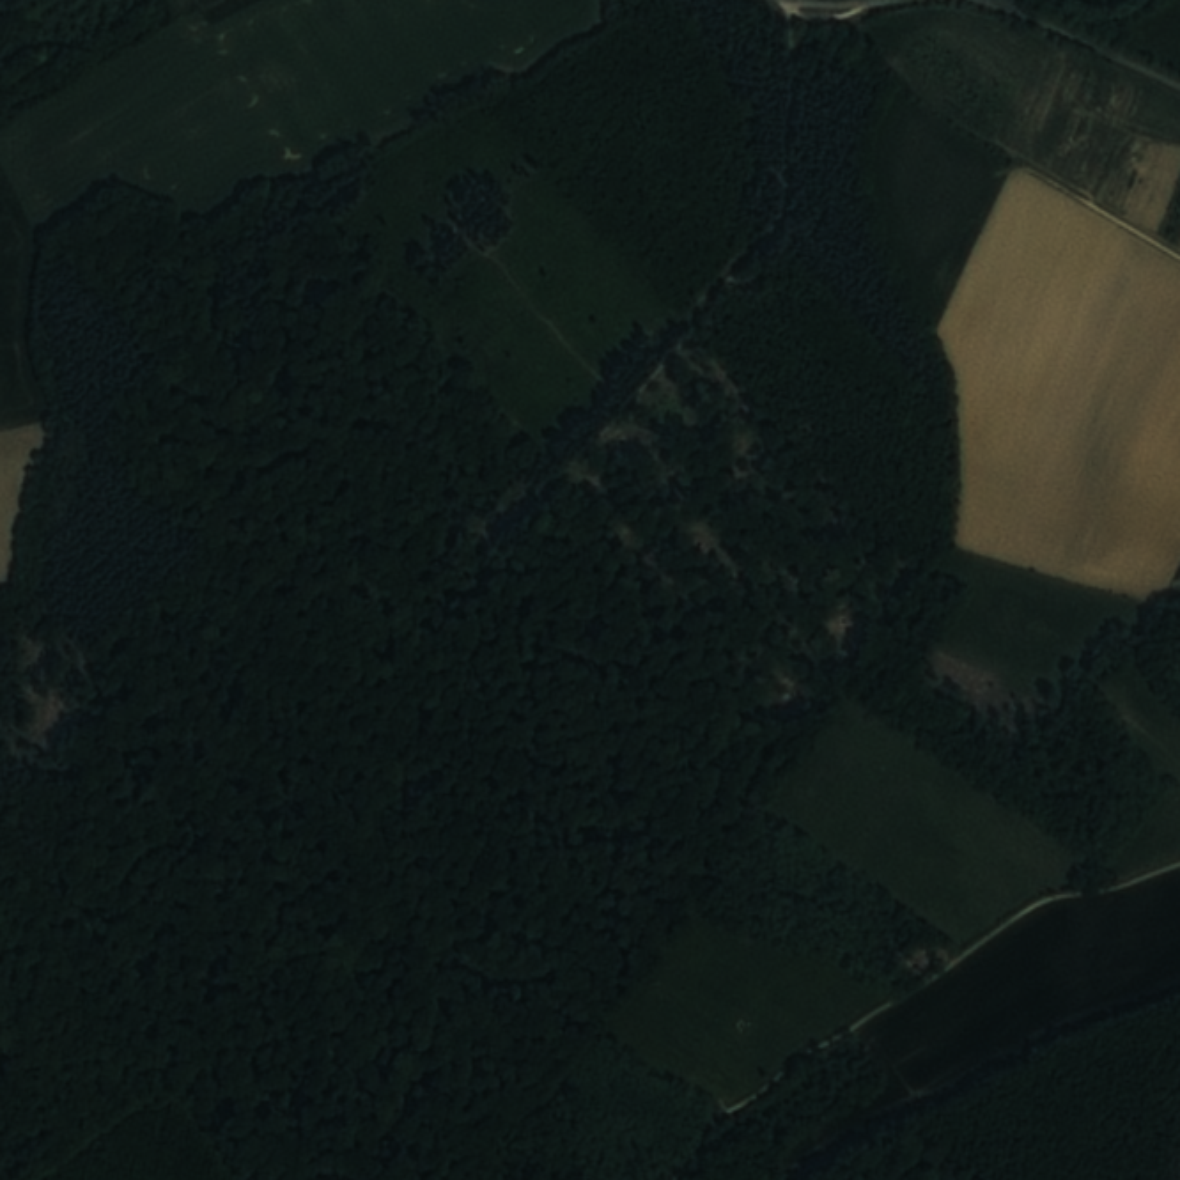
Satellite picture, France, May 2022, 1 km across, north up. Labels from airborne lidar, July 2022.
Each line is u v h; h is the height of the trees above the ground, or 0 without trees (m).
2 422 0
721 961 0
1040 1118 19
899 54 0
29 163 0
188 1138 6
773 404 15
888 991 23
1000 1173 21
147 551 17
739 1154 25
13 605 16
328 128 0
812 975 0
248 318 29
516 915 29
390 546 30
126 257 27
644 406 27
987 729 19
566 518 29
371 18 0
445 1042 32
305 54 0
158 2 14
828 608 27
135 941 33
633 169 12
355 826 30
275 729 28
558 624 29
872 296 25
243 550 29
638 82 11
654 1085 21
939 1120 20
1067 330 0
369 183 7
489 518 26
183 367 30
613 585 29
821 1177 31
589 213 9
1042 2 20
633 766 32
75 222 23
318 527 30
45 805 22
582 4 0
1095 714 22
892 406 16
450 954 29
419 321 23
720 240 11
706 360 24
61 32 13
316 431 30
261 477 31
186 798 32
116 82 0
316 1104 29
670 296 10
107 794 29
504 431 24
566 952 31
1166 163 0
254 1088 30
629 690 32
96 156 0
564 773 31
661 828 32
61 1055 25
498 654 32
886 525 17
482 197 23
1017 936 0
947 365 16
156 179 0
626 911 30
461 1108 28
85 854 32
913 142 0
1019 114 0
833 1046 15
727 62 12
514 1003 30
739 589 31
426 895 32
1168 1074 21
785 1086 7
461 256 25
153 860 28
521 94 11
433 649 29
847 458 15
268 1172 28
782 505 28
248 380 31
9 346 0
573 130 11
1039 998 0
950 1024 0
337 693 28
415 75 0
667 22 13
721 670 30
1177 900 0
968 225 0
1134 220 0
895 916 19
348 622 32
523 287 0
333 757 30
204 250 25
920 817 0
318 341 32
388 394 26
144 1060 32
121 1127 6
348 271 32
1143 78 0
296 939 30
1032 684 0
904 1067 0
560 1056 30
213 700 32
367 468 28
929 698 20
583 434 25
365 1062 28
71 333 22
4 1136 22
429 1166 33
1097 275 0
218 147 0
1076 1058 19
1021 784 21
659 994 0
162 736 35
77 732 25
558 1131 22
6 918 23
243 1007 32
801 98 22
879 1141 22
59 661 25
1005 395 0
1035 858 0
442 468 21
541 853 32
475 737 27
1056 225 0
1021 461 0
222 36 0
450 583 28
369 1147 30
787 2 0
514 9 0
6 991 28
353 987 29
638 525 30
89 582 23
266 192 17
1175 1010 19
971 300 0
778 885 26
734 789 31
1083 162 0
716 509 30
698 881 30
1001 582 0
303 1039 28
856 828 0
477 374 26
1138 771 19
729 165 10
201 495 28
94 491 21
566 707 33
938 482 17
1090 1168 21
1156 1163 20
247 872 30
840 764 0
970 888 0
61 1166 18
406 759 32
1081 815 20
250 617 34
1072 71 0
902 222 0
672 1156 22
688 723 28
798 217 25
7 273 0
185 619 26
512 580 28
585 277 0
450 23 0
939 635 24
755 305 17
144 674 32
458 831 32
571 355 0
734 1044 0
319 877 29
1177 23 0
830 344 17
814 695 23
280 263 28
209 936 32
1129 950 0
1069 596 0
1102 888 10
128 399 27
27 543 15
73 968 30
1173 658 20
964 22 0
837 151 24
